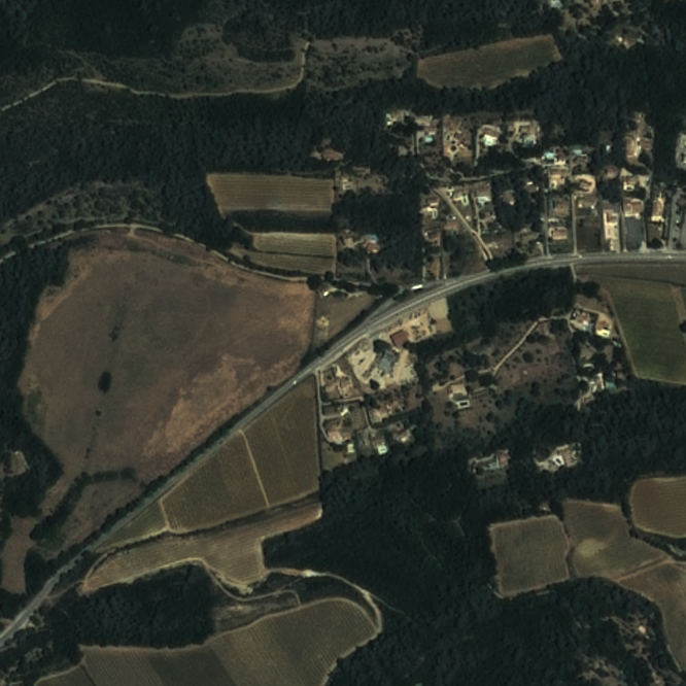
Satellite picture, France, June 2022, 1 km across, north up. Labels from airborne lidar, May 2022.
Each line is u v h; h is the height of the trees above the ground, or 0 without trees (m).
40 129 9
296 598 0
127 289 0
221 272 0
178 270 0
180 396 0
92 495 0
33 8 23
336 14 10
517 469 8
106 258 0
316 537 6
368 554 6
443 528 12
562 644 23
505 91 6
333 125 7
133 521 0
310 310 0
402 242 15
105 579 0
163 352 0
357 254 20
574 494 11
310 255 0
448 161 7
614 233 0
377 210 15
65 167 9
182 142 18
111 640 10
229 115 8
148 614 8
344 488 22
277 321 0
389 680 11
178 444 0
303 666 0
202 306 0
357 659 14
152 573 0
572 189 11
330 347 7
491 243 0
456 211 0
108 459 0
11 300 15
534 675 10
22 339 14
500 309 11
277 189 0
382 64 7
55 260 7
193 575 22
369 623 0
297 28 14
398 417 10
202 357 0
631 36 0
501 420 18
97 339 0
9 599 15
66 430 0
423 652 7
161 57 7
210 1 7
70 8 10
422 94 12
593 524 0
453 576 14
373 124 14
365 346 0
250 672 0
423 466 16
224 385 0
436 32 6
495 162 15
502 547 0
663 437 16
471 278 0
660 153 9
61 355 0
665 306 0
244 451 0
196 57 7
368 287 10
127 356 0
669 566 0
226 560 0
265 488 0
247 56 6
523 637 11
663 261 0
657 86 12
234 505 0
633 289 0
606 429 11
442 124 6
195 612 7
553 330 9
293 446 0
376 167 11
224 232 18
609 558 0
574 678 11
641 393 13
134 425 0
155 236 0
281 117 7
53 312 0
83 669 0
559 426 12
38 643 11
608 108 11
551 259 0
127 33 6
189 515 0
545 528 0
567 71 19
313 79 16
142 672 0
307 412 0
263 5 7
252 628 0
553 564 0
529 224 10
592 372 9
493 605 21
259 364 0
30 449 13
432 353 12
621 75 13
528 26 19
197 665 0
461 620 21
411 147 10
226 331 0
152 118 9
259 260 0
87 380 0
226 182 0
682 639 0
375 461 13
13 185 8
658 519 0
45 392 0
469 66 0
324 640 0
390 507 8
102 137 7
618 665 6
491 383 9
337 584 10
